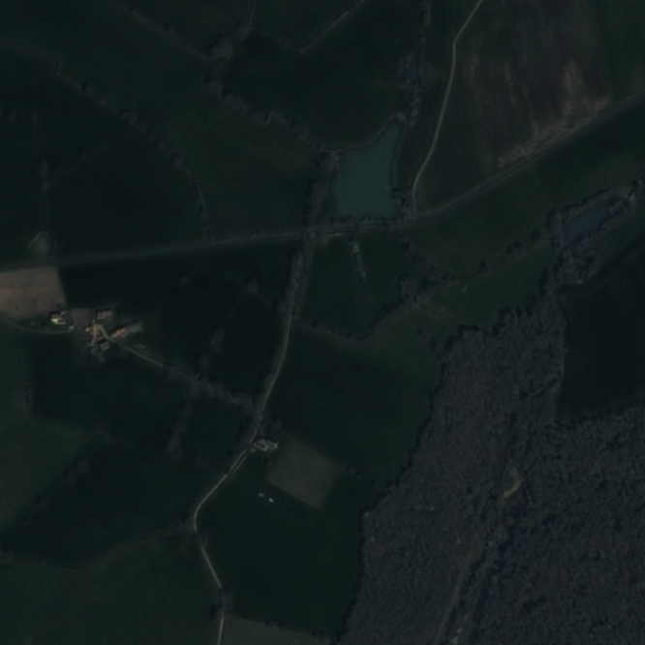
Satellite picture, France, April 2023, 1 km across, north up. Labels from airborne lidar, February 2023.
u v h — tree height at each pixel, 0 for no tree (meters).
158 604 0
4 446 0
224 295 0
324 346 0
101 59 0
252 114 13
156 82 0
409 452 0
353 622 19
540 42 0
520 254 22
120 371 0
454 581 21
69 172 0
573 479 18
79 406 0
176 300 0
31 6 0
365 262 0
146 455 0
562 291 0
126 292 0
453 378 21
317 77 0
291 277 19
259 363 0
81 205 0
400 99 0
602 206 0
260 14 0
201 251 0
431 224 0
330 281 0
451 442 25
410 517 22
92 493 0
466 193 0
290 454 0
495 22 0
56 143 0
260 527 0
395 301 0
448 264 0
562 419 0
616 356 0
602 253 0
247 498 0
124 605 0
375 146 0
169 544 0
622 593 21
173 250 0
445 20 0
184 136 0
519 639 27
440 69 0
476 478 24
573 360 0
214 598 0
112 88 0
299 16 0
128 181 0
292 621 0
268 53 0
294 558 0
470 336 21
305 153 0
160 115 0
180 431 9
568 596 21
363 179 0
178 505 0
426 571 23
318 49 0
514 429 13
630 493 21
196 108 0
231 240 0
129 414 0
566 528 15
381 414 0
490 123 0
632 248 0
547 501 24
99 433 0
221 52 19
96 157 0
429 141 0
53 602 0
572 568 25
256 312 0
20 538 0
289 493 0
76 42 0
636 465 20
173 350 0
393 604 22
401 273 0
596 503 22
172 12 0
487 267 14
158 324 0
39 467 0
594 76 0
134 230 0
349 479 0
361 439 0
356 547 0
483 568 13
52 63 0
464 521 25
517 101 0
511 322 20
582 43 0
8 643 0
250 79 0
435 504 24
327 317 0
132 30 0
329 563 0
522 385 26
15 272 0
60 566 0
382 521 23
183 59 0
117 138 0
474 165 0
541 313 21
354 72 0
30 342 0
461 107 0
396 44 0
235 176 0
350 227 13
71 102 0
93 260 0
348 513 0
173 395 0
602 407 0
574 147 0
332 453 0
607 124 0
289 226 0
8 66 0
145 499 0
